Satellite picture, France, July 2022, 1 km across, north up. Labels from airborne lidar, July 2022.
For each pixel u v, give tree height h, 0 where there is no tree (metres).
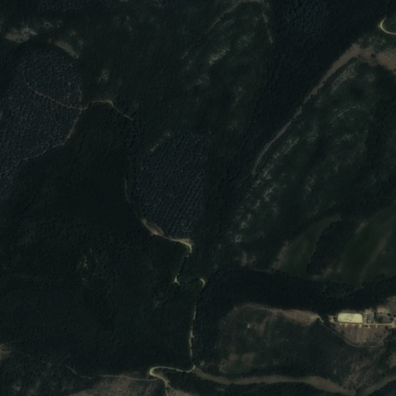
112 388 0
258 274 19
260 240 10
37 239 8
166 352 23
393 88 15
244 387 10
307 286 15
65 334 17
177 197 13
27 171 13
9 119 12
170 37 9
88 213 10
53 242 9
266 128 13
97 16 8
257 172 8
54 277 6
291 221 11
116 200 12
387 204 7
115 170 10
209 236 14
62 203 11
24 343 15
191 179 17
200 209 16
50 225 20
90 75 10
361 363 0
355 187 14
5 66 21
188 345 7
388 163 7
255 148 15
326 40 11
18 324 14
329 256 9
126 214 10
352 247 0
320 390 9
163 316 11
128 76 11
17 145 15
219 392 8
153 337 14
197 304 13
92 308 10
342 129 7
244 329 0
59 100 13
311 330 7
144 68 8
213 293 13
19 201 15
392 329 8
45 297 14
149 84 15
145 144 10
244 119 7
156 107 8
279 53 22
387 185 20
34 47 20
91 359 11
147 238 21
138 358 17
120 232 9
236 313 0
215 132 17
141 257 13
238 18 7
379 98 8
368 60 0
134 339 19
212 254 7
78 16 11
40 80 16
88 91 13
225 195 16
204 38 9
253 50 6
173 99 12
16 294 20
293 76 14
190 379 8
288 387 10
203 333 12
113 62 8
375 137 8
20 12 18
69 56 12
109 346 24
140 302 15
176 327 22
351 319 0
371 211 11
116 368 11
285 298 16
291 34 24
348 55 0
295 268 0
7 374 12
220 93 8
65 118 18
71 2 17
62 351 9
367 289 6
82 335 20
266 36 9
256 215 6
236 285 13
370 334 0
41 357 10
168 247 15
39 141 13
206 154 16
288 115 7
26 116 17
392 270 0
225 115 8
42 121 14
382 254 0
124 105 20
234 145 10
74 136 15
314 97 6
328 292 13
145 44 8
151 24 7
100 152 14
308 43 16
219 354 10
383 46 6
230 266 11
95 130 10
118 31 9
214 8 9
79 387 8
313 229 0
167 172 15
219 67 6
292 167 7
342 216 11
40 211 11
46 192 11
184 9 9
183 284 19
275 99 10
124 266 17
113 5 13
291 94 17
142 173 13
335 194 7
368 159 14
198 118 10
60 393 8
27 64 17
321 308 17
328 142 7
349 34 16
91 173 15
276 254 10
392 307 0
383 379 0
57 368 8
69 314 24
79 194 16
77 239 7
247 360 0
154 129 13
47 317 22
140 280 14
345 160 7
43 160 15
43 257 7
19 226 18
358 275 0
